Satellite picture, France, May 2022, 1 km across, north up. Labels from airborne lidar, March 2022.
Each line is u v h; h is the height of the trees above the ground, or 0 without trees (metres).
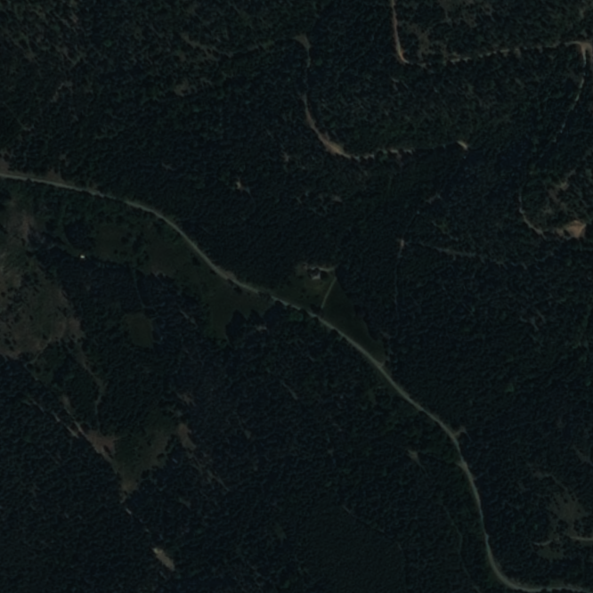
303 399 29
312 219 22
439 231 16
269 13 24
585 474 18
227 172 16
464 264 12
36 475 29
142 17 33
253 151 30
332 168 33
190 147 30
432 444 22
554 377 12
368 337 0
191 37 11
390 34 14
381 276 18
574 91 24
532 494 13
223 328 0
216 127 36
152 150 24
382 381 0
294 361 30
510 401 29
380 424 25
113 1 34
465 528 19
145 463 0
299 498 24
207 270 0
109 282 24
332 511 17
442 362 30
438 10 13
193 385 30
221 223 18
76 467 28
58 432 31
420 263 12
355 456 21
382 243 17
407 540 15
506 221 31
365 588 18
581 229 0
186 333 26
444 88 27
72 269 30
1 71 9
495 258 12
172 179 21
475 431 27
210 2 15
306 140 35
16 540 17
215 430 31
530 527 20
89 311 16
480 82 35
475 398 31
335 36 10
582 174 7
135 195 20
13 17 32
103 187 19
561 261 31
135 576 27
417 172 9
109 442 0
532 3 34
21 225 0
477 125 16
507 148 7
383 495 27
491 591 14
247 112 22
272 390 29
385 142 15
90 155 15
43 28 37
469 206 29
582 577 27
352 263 27
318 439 28
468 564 14
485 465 34
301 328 30
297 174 11
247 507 29
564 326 9
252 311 0
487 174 30
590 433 14
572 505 0
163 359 16
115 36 24
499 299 36
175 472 32
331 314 0
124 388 13
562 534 12
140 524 33
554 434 29
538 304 36
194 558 25
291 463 32
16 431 30
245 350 37
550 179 7
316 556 15
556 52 13
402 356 26
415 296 32
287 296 0
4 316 12
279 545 24
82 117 23
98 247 0
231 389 21
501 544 23
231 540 32
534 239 25
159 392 12
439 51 14
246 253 25
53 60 10
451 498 14
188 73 7
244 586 32
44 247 26
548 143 21
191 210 18
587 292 30
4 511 28
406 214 22
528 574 19
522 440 26
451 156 25
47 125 11
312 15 15
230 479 26
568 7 36
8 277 0
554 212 8
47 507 35
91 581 26
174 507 32
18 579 20
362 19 11
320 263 20
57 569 22
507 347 20
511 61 21
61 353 8
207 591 21
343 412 9
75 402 14
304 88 33
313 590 22
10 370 34
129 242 15
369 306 27
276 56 13
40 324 0
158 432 0
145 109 27
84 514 32
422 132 8
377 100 31
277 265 27
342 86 14
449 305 31
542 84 8
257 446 7
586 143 7
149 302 31
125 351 10
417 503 24
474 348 30
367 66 16
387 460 20
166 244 0
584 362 15
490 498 35
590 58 11
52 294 0
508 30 30
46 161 13
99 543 28
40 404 29
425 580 23
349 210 16
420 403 18
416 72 13
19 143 9
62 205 20
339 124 30
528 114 11
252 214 13
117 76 31
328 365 29
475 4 8
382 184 20
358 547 17
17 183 14
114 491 36
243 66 10
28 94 6
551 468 18
